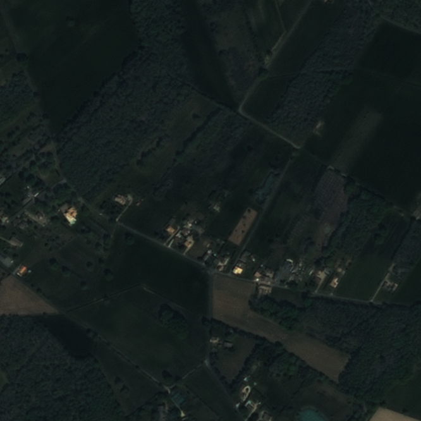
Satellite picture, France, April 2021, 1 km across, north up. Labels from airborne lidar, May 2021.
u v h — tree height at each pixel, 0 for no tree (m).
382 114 7
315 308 21
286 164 0
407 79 0
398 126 0
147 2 10
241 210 0
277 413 0
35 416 20
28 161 14
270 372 8
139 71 19
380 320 18
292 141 12
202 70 0
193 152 11
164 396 13
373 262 0
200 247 0
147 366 0
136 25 11
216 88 0
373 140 0
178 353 0
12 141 7
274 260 0
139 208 0
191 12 0
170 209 0
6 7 0
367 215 16
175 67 15
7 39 0
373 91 0
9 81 10
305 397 0
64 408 21
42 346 13
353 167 0
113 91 10
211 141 11
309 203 0
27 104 17
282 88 0
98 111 11
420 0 21
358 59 0
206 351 0
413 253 14
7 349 17
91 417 25
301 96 10
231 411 0
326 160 0
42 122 9
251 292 0
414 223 16
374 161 0
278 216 0
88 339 0
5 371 13
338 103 0
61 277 0
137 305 0
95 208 0
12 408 13
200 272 0
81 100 0
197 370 7
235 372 0
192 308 0
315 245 16
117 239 0
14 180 0
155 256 0
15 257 11
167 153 0
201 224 7
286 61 0
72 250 0
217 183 0
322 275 0
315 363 0
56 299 0
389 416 0
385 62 0
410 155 0
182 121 0
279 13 0
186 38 0
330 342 13
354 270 0
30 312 0
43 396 23
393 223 0
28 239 0
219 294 0
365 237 10
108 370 0
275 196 0
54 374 7
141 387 0
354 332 17
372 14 16
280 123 14
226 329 8
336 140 0
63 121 0
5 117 17
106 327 0
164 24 17
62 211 0
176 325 26
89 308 0
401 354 15
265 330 0
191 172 0
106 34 0
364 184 0
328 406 0
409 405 0
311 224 10
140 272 0
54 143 13
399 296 0
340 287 0
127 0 0
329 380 8
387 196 0
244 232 6
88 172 18
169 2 11
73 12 0
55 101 0
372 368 18
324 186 21
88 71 0
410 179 0
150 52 13
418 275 0
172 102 13
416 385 0
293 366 15
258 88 0
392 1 19
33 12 0
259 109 0
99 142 15
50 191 17
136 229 0
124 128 16
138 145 12
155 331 0
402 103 0
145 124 16
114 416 22
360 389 19
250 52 7
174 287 0
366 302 0
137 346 0
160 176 0
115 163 12
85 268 0
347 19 6
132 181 0
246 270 0
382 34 0
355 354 11
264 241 0
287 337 0
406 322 20
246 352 0
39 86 0
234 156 0
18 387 14
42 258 0
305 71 11
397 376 21
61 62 0
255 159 0
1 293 0
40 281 0
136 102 19
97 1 0
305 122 11
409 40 0
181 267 0
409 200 0
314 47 0
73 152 12
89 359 16
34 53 0
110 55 0
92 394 18
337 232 10
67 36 0
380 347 18
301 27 0
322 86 8
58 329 0
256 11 0
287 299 0
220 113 16
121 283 0
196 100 0
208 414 0
